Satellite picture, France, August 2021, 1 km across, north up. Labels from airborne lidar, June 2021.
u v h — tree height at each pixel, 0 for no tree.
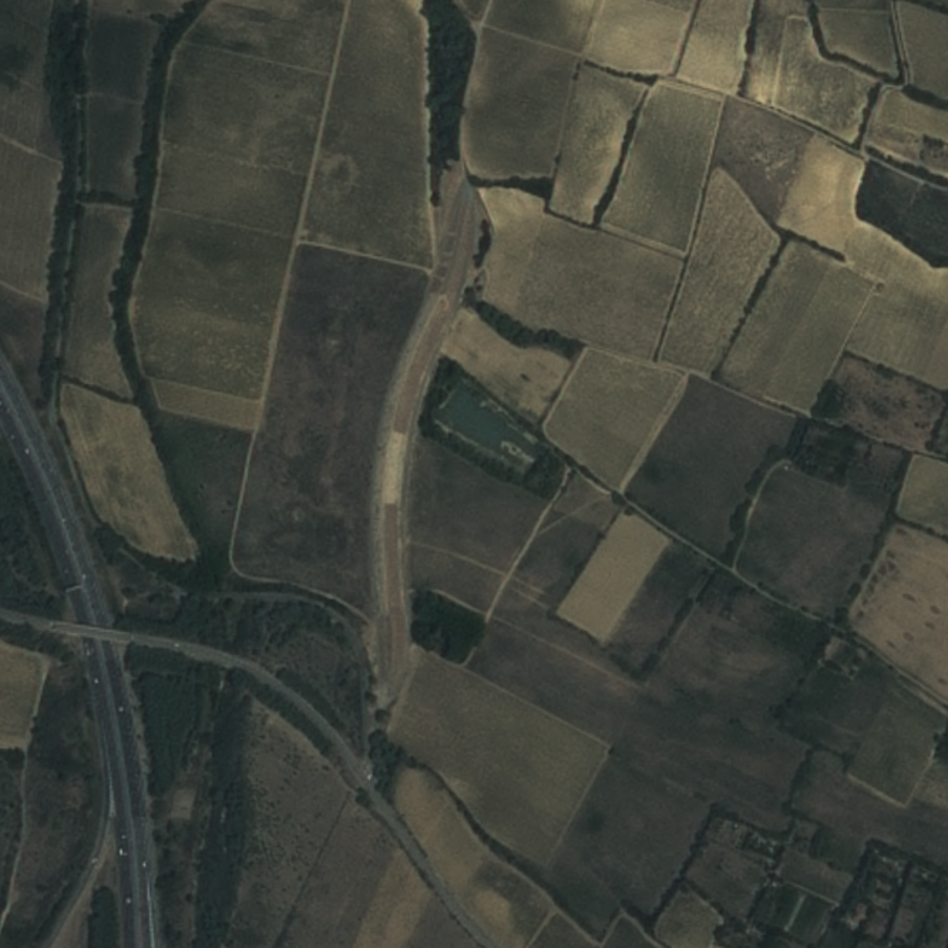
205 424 0
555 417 0
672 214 0
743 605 0
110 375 0
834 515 0
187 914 0
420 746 0
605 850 0
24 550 13
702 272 0
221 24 0
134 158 0
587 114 0
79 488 0
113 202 11
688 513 0
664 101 0
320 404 0
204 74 0
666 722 0
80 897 0
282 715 8
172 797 0
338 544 0
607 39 0
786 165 0
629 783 0
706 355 0
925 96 7
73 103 14
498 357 0
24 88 0
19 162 0
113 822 0
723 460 0
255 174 0
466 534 0
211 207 0
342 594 0
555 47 0
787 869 0
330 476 0
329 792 0
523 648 0
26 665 0
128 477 0
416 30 0
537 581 0
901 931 0
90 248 0
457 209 0
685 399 0
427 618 19
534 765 0
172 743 11
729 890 0
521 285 0
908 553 0
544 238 0
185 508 8
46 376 9
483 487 0
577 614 0
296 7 0
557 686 0
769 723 0
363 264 0
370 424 0
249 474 0
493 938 0
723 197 0
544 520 0
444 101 13
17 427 0
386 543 0
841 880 0
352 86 0
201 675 14
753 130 0
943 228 0
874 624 0
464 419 0
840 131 0
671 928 0
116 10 0
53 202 0
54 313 11
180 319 0
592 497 0
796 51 0
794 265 0
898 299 0
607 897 0
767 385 0
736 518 9
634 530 0
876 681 0
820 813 0
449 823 0
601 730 0
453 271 0
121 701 0
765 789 0
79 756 0
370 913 0
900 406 0
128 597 10
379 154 0
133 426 0
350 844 0
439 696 0
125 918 0
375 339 0
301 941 0
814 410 7
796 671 0
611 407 0
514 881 0
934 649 0
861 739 0
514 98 0
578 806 0
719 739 0
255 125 0
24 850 0
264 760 0
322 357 0
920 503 0
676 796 0
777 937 7
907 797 0
